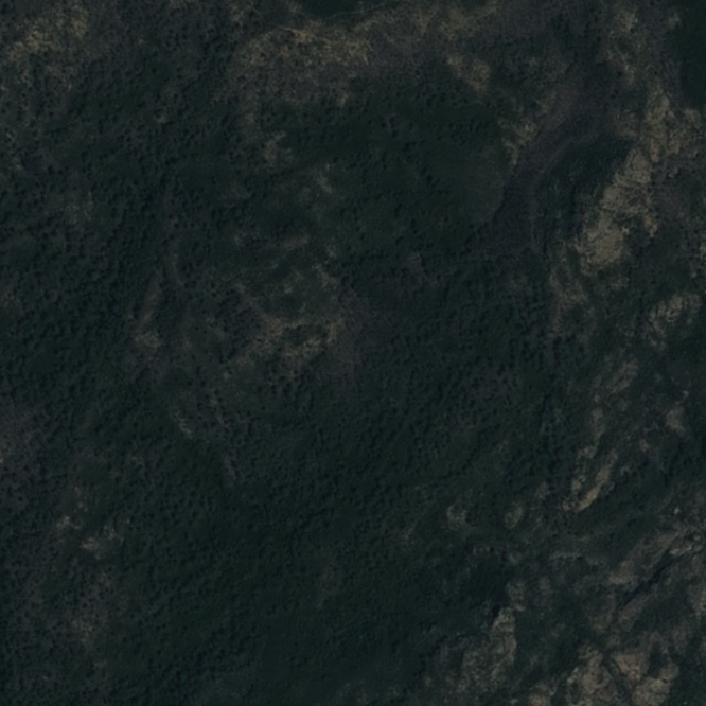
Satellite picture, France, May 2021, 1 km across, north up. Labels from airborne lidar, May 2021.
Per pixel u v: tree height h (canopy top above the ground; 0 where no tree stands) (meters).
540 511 6
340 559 12
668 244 14
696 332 8
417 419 6
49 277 20
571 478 6
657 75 7
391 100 15
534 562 7
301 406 16
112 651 6
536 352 14
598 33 14
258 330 14
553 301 14
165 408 8
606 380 6
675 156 16
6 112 14
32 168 22
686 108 8
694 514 6
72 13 14
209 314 11
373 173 13
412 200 14
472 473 18
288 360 10
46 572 6
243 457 19
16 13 15
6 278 18
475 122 14
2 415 18
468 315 17
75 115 12
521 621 6
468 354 17
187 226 11
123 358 16
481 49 8
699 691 7
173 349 16
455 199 6
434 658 15
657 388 5
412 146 23
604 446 7
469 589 9
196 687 17
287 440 14
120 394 9
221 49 13
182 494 20
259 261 7
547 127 19
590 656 8
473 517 17
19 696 17
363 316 21
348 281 22
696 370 8
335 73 14
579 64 16
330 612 7
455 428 17
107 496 12
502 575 15
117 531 14
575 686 6
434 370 17
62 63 11
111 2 14
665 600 7
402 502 19
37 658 14
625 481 6
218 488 7
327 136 12
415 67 20
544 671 6
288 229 14
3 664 7
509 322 22
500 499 18
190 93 14
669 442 6
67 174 13
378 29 15
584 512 17
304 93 15
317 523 21
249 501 8
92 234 11
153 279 14
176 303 17
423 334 7
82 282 22
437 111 5
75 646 14
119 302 24
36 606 15
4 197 17
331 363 16
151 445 20
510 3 13
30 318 21
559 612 6
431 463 18
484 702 10
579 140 15
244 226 11
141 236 19
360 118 12
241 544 9
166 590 16
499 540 8
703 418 7
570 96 18
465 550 7
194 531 7
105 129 19
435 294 18
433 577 7
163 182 17
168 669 6
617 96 11
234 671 17
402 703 17
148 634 17
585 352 20
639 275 15
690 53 7
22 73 9
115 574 14
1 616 8
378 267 16
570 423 15
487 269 9
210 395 9
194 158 11
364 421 11
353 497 7
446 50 13
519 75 9
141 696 11
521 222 19
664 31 12
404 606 8
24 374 15
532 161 19
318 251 6
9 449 17
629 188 7
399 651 15
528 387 6
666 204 18
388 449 19
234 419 14
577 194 12
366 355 15
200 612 17
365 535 16
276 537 10
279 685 8
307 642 6
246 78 16
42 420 19
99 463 15
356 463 7
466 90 18
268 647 6
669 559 6
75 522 13
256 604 8
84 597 14
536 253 15
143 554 19
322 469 11
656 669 7
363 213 5
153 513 8
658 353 6
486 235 18
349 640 6
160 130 16
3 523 7
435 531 9
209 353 14
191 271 14
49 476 19
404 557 7
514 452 6
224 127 13
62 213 7
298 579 14
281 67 14
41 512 17
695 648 6
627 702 8
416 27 7
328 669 6
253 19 15
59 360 5
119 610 9
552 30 9
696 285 17
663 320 6
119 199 22
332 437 15
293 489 7
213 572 20
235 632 14
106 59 15
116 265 21
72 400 21
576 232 11
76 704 21
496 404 14
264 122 10
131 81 10
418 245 6
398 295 23
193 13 21
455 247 6
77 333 22
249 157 6
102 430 19
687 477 20
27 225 24
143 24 15
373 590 9
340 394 15
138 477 6
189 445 11
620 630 6
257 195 13
